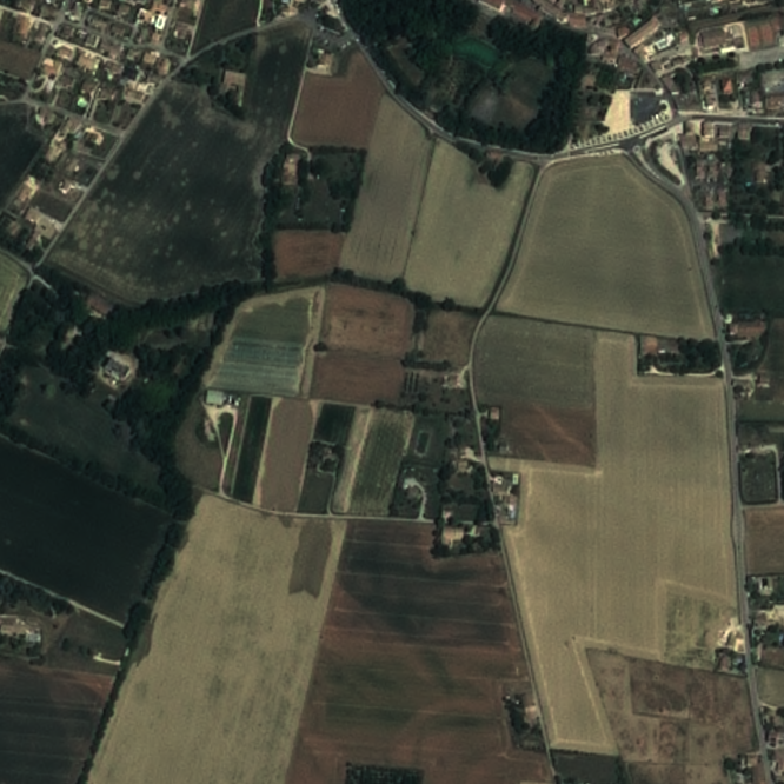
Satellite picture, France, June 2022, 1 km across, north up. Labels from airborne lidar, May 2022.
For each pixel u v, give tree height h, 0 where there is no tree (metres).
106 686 0
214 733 0
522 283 0
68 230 0
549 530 0
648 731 0
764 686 0
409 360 9
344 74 0
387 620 0
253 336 0
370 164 0
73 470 14
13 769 0
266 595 0
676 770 0
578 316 0
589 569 0
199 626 0
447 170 0
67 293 22
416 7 22
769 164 9
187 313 24
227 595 0
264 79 0
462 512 0
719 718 0
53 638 0
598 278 0
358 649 0
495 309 0
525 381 0
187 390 16
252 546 0
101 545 0
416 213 0
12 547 0
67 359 18
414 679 0
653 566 0
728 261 0
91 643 0
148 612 16
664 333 0
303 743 0
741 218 10
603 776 0
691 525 0
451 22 15
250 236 0
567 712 0
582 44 7
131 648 11
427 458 0
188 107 0
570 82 25
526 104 0
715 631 0
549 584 0
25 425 0
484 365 0
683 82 6
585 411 0
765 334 6
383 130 0
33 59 0
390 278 0
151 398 8
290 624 0
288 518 0
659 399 0
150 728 0
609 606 0
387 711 0
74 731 0
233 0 0
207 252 0
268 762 0
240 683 0
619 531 0
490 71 6
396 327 0
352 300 0
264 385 0
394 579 0
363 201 0
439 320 0
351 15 21
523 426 0
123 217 0
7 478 0
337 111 0
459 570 0
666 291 0
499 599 0
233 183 0
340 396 0
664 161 0
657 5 6
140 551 0
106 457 0
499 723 0
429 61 34
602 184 0
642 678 0
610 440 0
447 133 15
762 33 0
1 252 0
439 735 0
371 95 0
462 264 0
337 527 0
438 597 0
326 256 0
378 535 0
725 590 0
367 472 0
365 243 0
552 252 0
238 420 0
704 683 0
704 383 0
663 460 0
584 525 0
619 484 0
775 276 0
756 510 0
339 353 0
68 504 0
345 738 0
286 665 0
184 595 0
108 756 0
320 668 0
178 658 0
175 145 0
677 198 0
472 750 0
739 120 0
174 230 0
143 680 0
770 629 11
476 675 0
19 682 0
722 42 0
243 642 0
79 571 0
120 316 27
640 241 0
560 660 0
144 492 15
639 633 0
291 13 0
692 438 0
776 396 0
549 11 0
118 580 0
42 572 0
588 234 0
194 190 0
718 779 0
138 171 0
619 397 0
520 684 0
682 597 0
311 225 7
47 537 0
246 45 11
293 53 0
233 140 0
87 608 0
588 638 0
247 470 0
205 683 0
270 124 0
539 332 0
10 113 0
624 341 0
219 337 15
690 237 0
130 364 0
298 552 0
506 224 0
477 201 0
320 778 0
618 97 0
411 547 0
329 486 0
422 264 0
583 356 0
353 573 0
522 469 0
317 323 0
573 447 0
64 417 0
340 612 0
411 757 0
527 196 0
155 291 0
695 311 0
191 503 13
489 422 9
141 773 0
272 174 10
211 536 0
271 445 0
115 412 23
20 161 0
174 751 0
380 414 0
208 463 0
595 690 0
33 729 0
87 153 0
